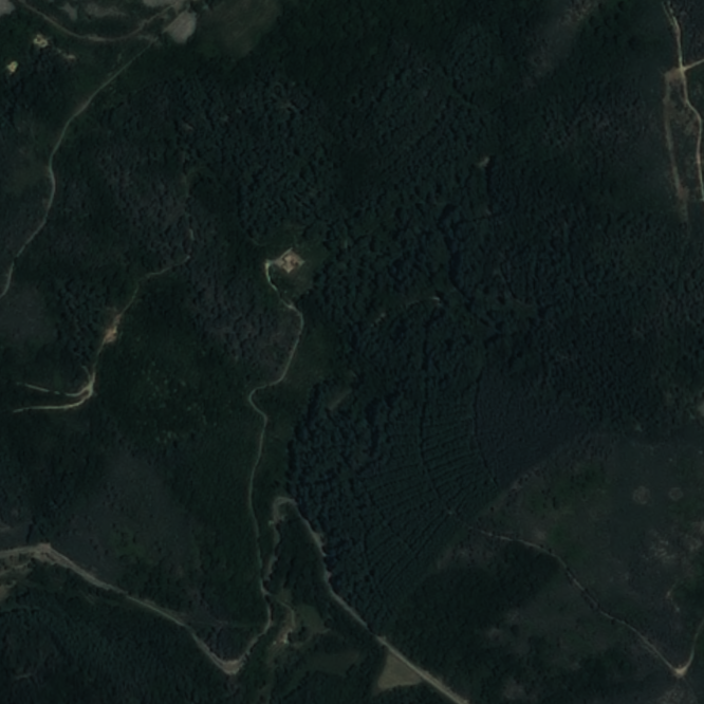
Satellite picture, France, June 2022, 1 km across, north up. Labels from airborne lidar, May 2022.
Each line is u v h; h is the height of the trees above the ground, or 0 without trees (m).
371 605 19
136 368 7
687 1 11
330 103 17
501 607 13
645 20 0
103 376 14
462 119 38
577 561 0
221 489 6
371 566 25
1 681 22
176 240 20
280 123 30
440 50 21
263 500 9
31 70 21
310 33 8
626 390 18
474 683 6
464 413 17
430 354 29
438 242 36
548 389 14
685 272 10
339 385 26
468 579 15
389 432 22
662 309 20
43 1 6
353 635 20
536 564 18
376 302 9
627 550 0
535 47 8
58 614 30
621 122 7
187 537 0
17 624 23
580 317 20
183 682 25
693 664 0
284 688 13
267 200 34
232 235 19
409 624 10
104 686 16
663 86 0
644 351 16
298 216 21
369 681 15
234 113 24
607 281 21
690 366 20
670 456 0
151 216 15
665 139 0
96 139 6
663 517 0
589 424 11
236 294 24
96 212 22
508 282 14
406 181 22
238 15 0
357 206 20
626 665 11
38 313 0
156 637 27
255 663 15
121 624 19
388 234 24
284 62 15
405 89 33
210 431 6
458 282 32
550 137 7
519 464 14
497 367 11
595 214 15
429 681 0
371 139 23
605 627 0
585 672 12
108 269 11
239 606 8
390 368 33
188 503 10
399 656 0
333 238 27
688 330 8
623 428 9
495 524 7
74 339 13
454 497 17
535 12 9
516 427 12
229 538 7
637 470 0
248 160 32
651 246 6
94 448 8
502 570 11
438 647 12
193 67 10
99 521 0
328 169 35
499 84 22
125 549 6
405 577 25
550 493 12
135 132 29
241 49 0
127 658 27
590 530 0
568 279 30
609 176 12
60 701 20
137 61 9
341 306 35
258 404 6
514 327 25
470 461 18
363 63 10
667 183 0
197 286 16
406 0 17
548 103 16
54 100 11
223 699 17
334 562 24
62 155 12
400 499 22
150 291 7
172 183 23
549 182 27
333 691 10
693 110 0
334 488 36
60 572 12
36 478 13
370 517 24
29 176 0
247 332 22
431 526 17
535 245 16
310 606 9
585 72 20
